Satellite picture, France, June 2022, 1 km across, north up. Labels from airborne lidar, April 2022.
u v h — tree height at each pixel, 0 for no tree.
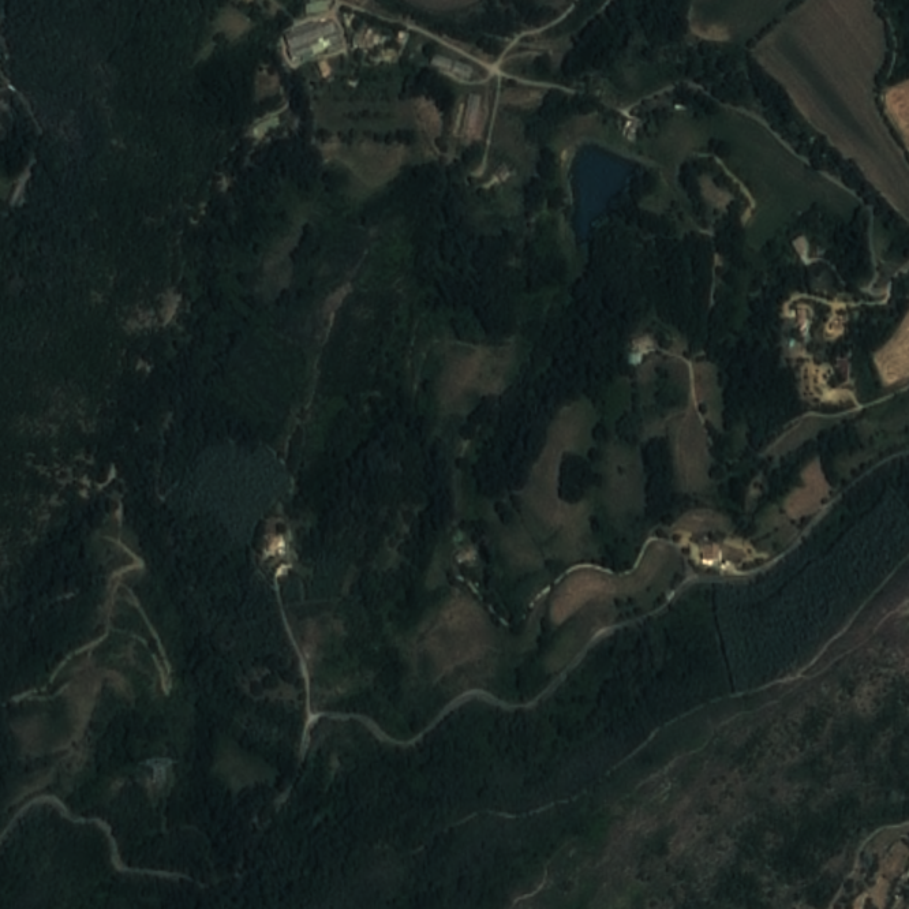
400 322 20
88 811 6
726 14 0
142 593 10
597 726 7
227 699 6
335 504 21
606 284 12
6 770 7
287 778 13
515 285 22
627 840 0
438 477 19
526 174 0
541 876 0
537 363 17
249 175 15
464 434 11
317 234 6
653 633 12
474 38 6
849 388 0
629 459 0
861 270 10
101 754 15
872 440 8
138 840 9
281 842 6
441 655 0
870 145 0
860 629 0
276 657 10
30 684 6
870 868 6
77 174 8
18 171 9
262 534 11
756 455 8
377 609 11
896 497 12
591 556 0
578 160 0
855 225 11
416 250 9
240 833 20
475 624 0
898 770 5
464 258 8
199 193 10
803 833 8
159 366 11
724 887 9
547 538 0
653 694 17
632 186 9
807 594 8
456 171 18
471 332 7
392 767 15
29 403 8
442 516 15
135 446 18
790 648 6
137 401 17
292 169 13
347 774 8
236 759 0
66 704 0
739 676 9
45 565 14
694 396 0
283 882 14
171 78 7
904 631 0
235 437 12
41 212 7
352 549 7
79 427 7
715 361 10
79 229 7
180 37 12
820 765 7
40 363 10
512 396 18
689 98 15
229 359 9
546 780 7
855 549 9
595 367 12
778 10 0
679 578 8
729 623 9
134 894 8
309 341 0
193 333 17
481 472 15
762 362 14
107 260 10
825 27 0
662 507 9
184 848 9
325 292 0
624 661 7
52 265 13
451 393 0
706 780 0
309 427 0
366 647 7
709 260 10
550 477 0
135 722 17
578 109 12
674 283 12
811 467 0
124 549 0
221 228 13
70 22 9
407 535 9
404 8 6
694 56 9
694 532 0
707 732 0
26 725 0
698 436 0
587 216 0
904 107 0
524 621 6
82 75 9
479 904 8
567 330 25
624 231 12
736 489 22
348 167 0
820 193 0
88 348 11
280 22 12
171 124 8
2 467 10
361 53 7
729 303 17
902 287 7
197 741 14
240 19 0
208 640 7
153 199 6
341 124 0
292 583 8
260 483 11
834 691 0
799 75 0
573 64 20
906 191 0
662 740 0
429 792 8
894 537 10
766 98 20
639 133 12
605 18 14
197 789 17
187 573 8
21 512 6
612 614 0
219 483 10
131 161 7
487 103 0
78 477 14
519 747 8
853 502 11
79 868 9
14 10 9
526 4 14
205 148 10
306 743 0
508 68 0
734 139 0
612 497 0
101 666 0
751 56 9
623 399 0
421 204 7
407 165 6
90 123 8
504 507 11
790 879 7
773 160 0
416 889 8
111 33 10
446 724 7
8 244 20
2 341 8
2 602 8
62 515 10
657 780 0
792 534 0
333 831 13
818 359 8
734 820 0
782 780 0
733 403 21
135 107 14
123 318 7
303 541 10
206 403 10
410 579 7
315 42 0
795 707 0
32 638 14
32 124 6
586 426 0
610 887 0
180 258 10
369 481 10
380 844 7
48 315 10
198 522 11
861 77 0
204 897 21
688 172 16
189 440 11
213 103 15
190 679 7
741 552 0
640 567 0
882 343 9
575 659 0
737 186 7
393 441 26
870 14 0
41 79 6
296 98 15
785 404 9
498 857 7
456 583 13
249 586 10
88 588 10
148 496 7
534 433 17
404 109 0
